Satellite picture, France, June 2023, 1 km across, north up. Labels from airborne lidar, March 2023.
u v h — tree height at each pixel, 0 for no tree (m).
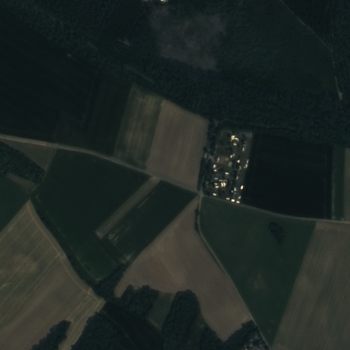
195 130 0
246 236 0
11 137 0
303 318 0
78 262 0
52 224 0
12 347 0
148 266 0
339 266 0
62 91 0
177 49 0
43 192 0
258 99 28
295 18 0
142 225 0
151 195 0
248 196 0
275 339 0
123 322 0
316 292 0
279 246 0
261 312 0
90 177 0
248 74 8
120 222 0
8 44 0
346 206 0
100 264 0
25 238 0
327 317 0
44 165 0
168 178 0
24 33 0
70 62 0
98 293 19
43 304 0
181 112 0
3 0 15
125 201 0
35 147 0
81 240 0
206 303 0
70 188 0
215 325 0
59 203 0
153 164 0
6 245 0
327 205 0
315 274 0
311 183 0
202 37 0
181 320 20
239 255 0
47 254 0
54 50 0
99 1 9
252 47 7
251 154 0
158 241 0
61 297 0
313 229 0
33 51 0
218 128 13
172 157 0
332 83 0
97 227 0
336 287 0
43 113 0
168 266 0
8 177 0
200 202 0
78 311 0
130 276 0
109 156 0
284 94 19
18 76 0
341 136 19
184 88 26
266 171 0
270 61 7
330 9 7
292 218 0
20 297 0
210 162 12
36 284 0
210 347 10
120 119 0
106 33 28
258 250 0
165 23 0
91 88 0
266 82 7
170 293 0
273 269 0
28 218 0
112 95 0
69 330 0
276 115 19
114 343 9
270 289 0
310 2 16
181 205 0
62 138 0
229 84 33
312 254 0
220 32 7
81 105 0
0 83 0
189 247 0
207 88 26
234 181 9
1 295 0
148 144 0
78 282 0
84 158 0
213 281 0
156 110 0
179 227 0
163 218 0
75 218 0
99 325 22
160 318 0
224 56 7
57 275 0
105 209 0
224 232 0
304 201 0
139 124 0
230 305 0
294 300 0
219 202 0
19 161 10
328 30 8
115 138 0
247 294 0
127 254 0
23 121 0
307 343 0
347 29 32
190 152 0
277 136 0
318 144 0
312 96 29
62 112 0
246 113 20
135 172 0
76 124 0
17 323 0
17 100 0
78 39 18
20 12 19
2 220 0
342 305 0
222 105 17
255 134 0
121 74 13
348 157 0
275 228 10
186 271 0
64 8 29
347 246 0
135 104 0
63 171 0
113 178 0
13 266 0
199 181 9
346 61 30
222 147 0
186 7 11
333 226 0
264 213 0
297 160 0
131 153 0
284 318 0
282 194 0
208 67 0
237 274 0
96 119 0
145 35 38
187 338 0
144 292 11
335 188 0
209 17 0
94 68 0
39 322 0
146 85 15
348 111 16
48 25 11
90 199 0
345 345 0
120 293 0
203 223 0
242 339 20
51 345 7
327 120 26
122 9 26
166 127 0
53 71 0
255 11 0
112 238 0
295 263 0
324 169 0
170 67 34
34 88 0
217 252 0
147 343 0
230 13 8
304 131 21
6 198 0
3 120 0
